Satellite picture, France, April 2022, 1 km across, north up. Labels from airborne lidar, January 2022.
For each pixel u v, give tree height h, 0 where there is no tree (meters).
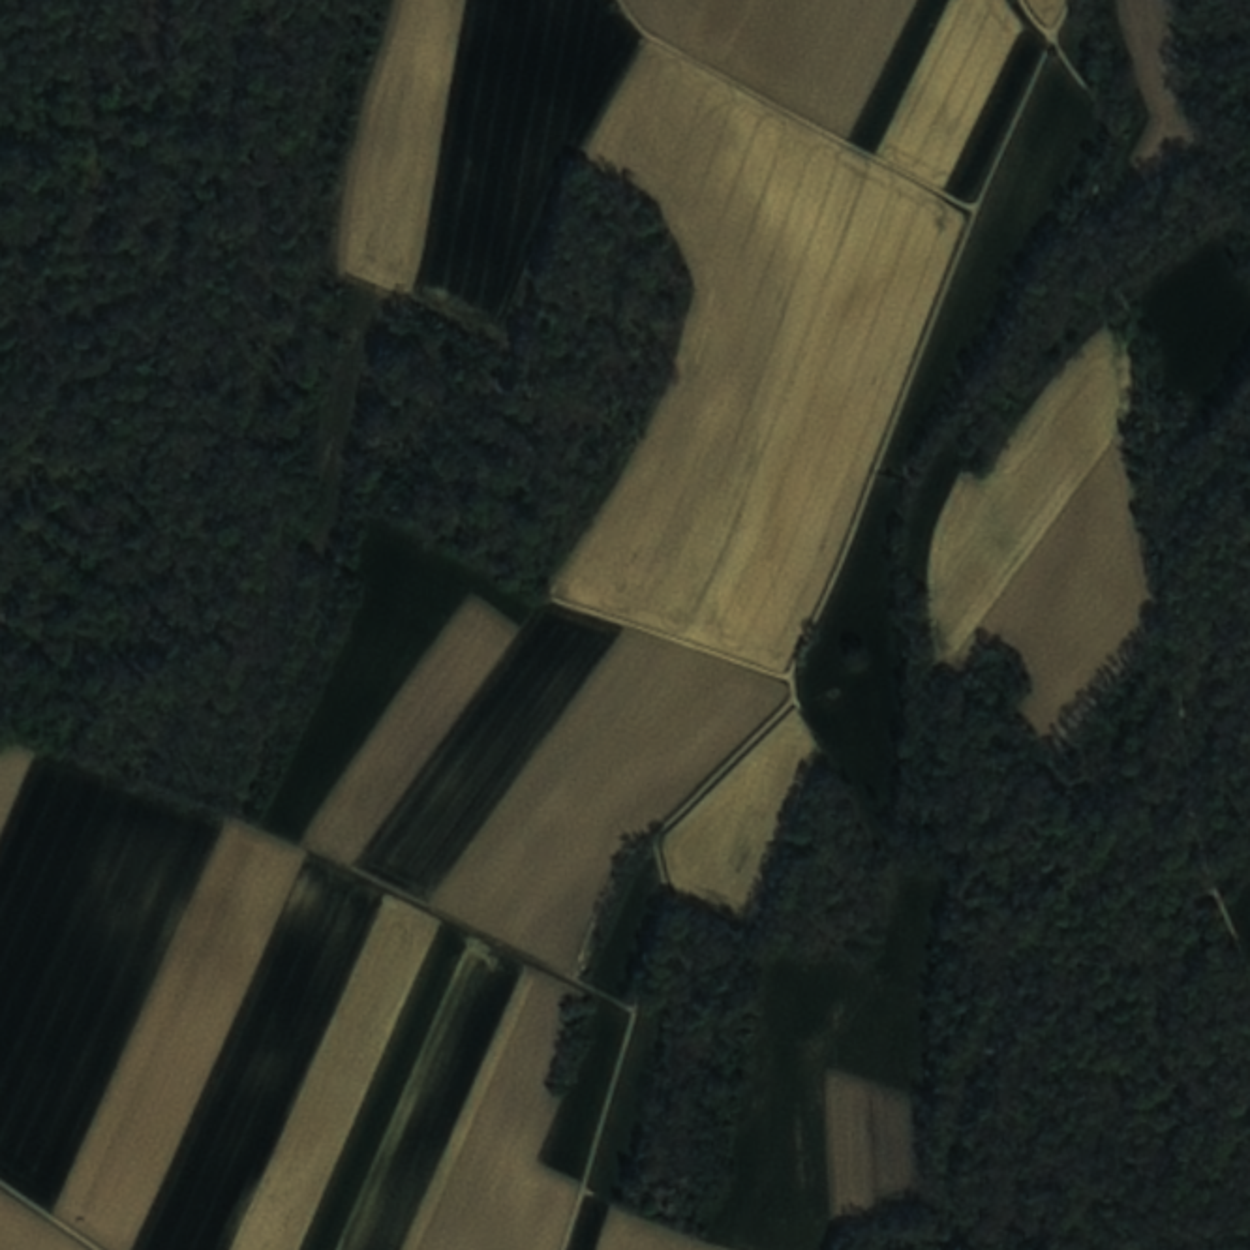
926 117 0
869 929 33
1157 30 0
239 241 25
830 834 35
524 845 0
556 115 0
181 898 0
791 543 0
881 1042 0
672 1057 14
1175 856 34
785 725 0
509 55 0
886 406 0
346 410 0
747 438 0
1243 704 34
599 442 15
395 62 0
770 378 0
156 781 31
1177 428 19
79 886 0
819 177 0
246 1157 0
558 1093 13
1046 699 0
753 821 0
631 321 37
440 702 0
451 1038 0
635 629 0
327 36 29
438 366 34
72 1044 0
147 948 0
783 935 32
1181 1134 35
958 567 0
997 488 0
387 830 0
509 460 33
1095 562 0
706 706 0
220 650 37
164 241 37
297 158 29
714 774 0
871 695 0
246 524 38
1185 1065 25
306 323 29
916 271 0
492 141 0
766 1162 0
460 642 0
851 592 0
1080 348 24
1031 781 35
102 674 36
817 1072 0
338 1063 0
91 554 18
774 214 0
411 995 0
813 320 0
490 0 0
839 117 0
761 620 0
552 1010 0
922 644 27
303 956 0
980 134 0
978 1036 29
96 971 0
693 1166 23
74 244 32
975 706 22
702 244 0
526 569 28
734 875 0
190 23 35
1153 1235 37
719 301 0
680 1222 12
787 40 0
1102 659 0
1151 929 36
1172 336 0
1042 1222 23
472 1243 0
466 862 0
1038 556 0
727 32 0
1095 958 28
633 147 0
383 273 0
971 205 0
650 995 26
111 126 36
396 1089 0
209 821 0
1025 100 0
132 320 31
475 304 0
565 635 0
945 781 31
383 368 28
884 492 0
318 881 0
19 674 29
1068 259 29
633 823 0
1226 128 30
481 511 32
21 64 37
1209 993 36
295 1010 0
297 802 0
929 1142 24
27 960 0
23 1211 0
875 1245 29
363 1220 0
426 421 29
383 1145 0
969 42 0
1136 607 0
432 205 0
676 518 0
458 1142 0
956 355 0
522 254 0
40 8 34
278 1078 0
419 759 0
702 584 0
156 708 37
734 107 0
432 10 0
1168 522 23
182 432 39
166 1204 0
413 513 26
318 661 28
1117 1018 35
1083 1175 32
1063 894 37
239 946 0
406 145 0
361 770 0
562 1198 0
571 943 0
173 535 35
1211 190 34
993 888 37
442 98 0
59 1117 0
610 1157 0
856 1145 0
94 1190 0
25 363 22
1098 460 0
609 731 0
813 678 0
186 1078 0
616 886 14
